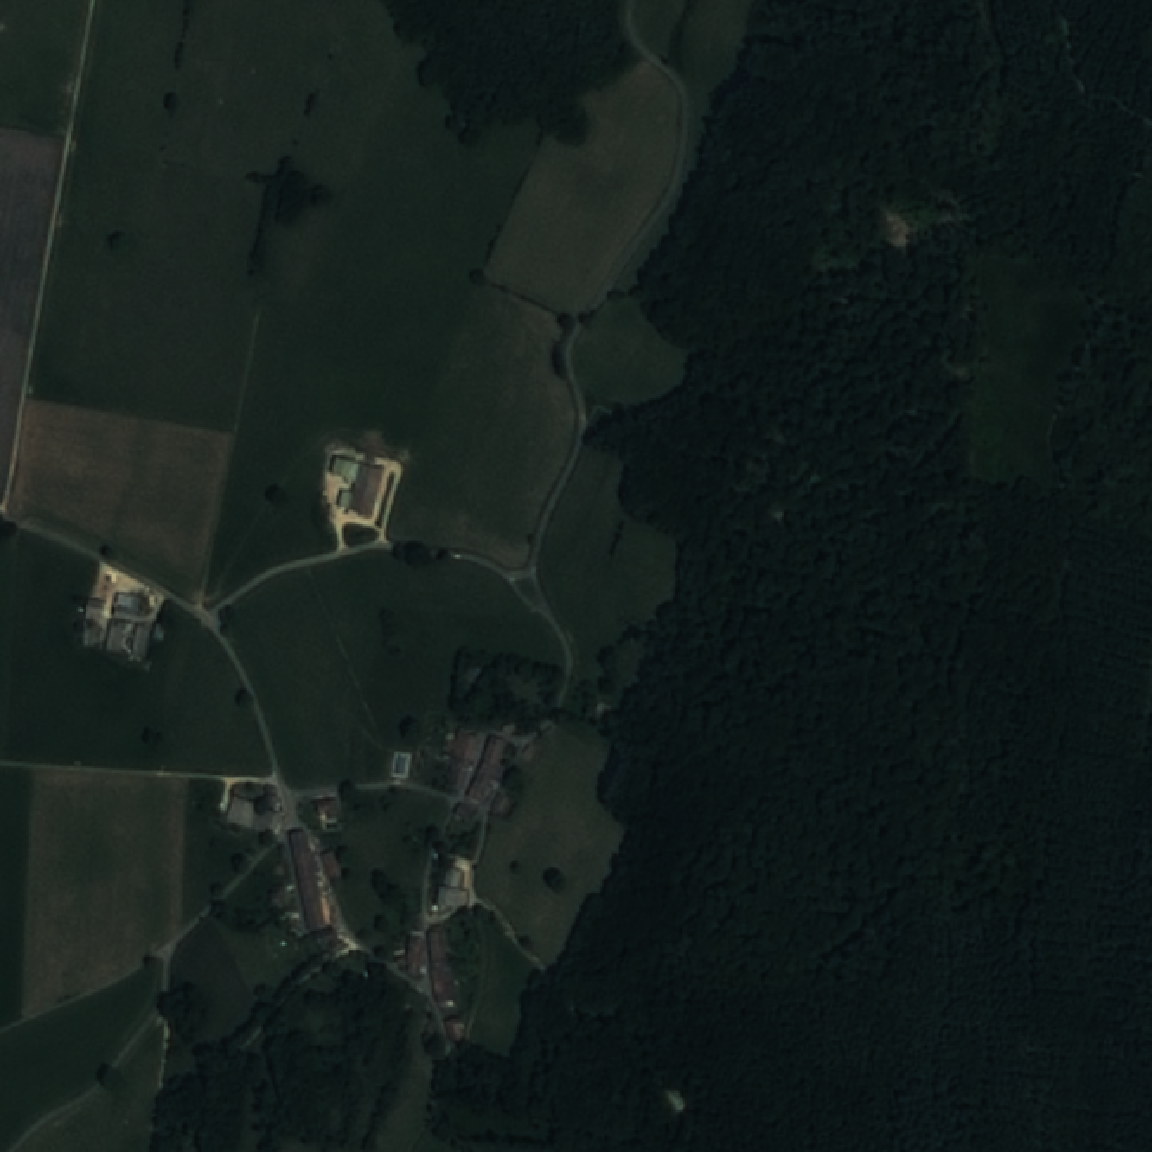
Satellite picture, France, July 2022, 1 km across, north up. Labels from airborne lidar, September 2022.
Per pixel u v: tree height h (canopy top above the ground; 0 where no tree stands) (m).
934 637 21
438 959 0
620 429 19
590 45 22
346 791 14
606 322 0
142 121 0
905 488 20
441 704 0
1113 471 17
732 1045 13
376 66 0
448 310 0
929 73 13
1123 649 17
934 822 19
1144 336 21
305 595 0
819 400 22
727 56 0
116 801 0
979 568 18
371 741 0
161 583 0
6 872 0
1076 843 18
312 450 0
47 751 0
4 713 0
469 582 0
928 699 21
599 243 0
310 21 0
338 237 0
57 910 0
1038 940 20
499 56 14
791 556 21
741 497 24
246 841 0
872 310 23
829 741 19
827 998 18
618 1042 26
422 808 0
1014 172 14
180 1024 17
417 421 0
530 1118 17
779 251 23
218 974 0
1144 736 12
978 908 21
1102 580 10
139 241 0
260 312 0
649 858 17
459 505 0
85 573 0
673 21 0
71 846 0
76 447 0
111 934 0
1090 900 19
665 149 0
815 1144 10
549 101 14
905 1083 17
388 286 0
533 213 0
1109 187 18
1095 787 18
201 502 0
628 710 16
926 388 16
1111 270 18
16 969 0
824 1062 14
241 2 0
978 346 23
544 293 0
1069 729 17
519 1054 17
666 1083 12
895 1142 23
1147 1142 22
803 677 22
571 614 0
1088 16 17
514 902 0
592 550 0
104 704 0
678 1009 20
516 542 0
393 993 8
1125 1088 23
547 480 0
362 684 0
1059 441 6
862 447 26
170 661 0
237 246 0
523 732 6
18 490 0
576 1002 24
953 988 18
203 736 0
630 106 0
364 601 0
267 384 0
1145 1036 23
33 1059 0
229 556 0
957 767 17
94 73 0
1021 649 15
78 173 0
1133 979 25
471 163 0
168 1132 14
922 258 21
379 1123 11
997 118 17
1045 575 16
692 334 20
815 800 22
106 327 0
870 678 20
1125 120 17
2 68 0
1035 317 0
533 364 0
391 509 0
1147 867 33
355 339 0
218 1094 24
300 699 0
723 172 27
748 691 22
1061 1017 17
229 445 0
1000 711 17
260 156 0
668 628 20
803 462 21
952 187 9
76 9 0
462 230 0
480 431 0
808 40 14
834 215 20
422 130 0
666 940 18
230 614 10
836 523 22
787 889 20
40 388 0
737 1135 17
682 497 14
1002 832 18
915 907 18
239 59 0
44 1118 0
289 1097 17
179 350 0
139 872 0
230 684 0
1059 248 16
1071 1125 8
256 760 0
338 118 0
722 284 22
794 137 23
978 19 15
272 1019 14
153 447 0
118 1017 0
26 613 0
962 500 18
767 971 18
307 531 0
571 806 0
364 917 0
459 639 0
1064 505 15
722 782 17
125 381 0
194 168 0
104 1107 0
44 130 0
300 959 0
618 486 0
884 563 24
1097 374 19
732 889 23
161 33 0
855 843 21
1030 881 6
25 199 0
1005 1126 20
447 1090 14
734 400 9
